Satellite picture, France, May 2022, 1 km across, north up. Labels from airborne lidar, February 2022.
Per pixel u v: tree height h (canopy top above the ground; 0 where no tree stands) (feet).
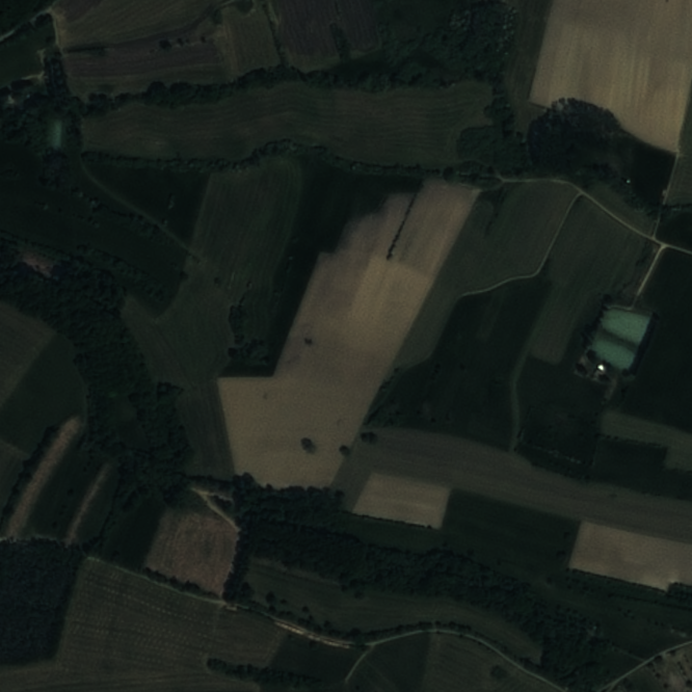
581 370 59
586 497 0
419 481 0
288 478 0
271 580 0
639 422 0
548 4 0
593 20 0
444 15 0
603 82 0
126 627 0
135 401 44
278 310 0
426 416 0
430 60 0
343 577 53
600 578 21
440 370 23
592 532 0
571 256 0
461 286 0
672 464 0
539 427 0
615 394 0
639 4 0
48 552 66
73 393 0
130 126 0
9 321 0
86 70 0
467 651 0
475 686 0
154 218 0
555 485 0
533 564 0
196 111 0
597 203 0
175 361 0
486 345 0
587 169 20
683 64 0
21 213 0
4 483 0
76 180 0
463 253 0
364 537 0
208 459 0
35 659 41
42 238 0
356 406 0
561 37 0
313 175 0
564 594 0
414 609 0
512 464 0
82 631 0
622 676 0
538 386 0
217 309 0
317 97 0
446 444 0
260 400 0
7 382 0
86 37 0
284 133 0
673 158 0
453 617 0
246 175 0
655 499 0
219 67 0
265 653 0
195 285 0
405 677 0
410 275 0
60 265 45
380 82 26
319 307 0
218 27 0
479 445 0
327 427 0
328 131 0
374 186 0
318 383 0
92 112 45
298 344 0
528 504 0
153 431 49
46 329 0
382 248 0
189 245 0
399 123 0
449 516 0
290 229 0
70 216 0
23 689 0
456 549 0
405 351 0
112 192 0
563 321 0
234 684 0
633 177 0
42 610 58
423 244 0
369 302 0
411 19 0
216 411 0
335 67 0
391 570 51
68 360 0
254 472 0
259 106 0
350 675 0
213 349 0
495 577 25
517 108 0
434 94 0
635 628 0
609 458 0
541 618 38
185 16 0
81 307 92
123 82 0
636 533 0
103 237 0
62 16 0
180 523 66
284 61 21
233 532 68
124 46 0
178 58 0
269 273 0
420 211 0
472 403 0
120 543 0
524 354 0
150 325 0
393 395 0
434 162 0
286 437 0
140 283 31
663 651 0
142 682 0
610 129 82
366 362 0
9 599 56
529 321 0
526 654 0
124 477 57
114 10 0
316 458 0
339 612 0
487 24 58
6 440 0
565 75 0
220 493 76
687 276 0
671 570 0
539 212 0
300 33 0
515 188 0
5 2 48
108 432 35
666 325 0
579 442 0
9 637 55
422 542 0
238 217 0
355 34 0
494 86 71
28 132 66
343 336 0
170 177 0
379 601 0
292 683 35
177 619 0
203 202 0
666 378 0
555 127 94
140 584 0
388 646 0
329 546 91
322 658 0
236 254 0
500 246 0
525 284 0
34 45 0
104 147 0
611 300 51
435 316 0
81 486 0
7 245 45
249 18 0
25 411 0
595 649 48
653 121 0
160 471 45
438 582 34
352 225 0
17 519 58
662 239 0
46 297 78
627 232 0
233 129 0
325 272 0
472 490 0
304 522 61
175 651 0
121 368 94
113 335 79
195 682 0
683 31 0
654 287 0
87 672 0
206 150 0
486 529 0
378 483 0
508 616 34
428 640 0
